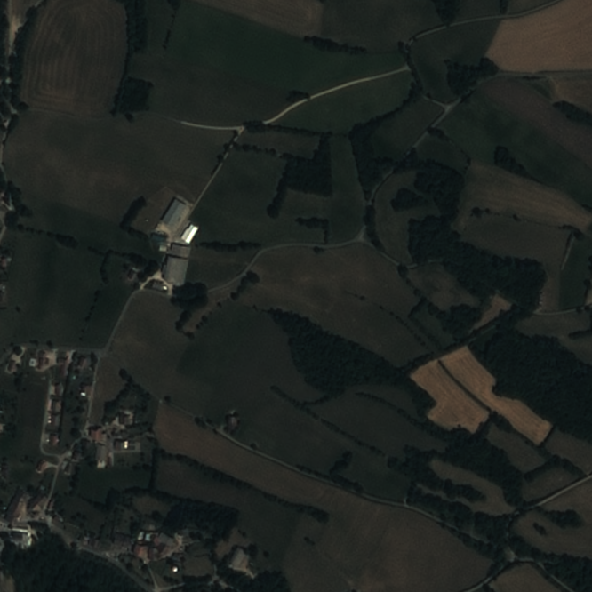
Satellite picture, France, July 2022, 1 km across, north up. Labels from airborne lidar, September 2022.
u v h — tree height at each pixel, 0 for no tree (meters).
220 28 0
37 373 0
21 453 0
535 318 0
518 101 0
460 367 0
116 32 0
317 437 0
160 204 0
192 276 0
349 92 0
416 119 0
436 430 8
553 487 0
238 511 7
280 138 0
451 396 0
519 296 15
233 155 0
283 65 0
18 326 0
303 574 0
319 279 0
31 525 13
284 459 0
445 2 17
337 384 12
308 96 10
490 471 11
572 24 0
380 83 0
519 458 0
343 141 0
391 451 0
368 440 0
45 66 0
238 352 0
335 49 12
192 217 0
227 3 0
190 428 0
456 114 0
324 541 0
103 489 0
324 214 0
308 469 8
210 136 0
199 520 18
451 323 13
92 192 0
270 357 0
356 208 0
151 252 0
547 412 11
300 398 0
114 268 0
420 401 8
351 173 0
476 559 0
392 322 0
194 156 0
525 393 13
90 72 0
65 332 0
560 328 0
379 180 13
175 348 0
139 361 0
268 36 0
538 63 0
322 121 0
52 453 0
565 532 0
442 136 15
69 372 10
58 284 0
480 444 19
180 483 0
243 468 0
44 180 0
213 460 0
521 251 0
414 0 0
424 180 18
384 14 0
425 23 0
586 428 16
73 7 0
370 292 0
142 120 0
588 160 0
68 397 6
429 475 17
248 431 0
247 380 0
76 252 0
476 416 0
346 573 0
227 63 0
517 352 17
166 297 0
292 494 0
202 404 0
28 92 0
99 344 0
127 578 9
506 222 0
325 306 0
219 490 0
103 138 0
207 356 0
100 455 0
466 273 15
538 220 0
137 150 0
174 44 0
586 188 0
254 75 0
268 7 0
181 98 0
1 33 14
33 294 0
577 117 13
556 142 0
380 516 0
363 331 0
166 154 0
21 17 0
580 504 0
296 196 0
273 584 15
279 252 0
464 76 14
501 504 0
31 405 0
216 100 0
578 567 14
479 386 0
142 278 14
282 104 0
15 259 0
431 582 0
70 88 0
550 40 0
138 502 0
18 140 0
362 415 0
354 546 0
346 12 0
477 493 18
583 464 0
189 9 0
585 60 0
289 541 0
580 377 20
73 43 0
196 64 0
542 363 17
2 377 0
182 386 0
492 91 0
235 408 0
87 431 0
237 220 0
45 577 27
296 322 18
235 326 0
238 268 0
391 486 0
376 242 19
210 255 0
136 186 0
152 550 0
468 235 0
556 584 8
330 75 0
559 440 0
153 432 9
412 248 14
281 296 0
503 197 0
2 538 13
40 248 0
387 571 0
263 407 0
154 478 10
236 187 0
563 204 0
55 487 0
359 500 0
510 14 0
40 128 0
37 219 0
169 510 0
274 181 0
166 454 14
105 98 0
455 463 11
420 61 0
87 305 0
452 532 9
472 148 0
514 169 11
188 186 0
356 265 0
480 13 0
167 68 0
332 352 9
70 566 11
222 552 0
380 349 0
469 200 0
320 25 0
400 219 0
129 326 0
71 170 0
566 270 0
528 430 0
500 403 0
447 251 19
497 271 16
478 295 14
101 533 7
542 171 0
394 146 0
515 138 0
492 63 12
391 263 0
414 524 0
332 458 0
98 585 20
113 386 0
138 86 11
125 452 0
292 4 0
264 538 0
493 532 6
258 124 17
